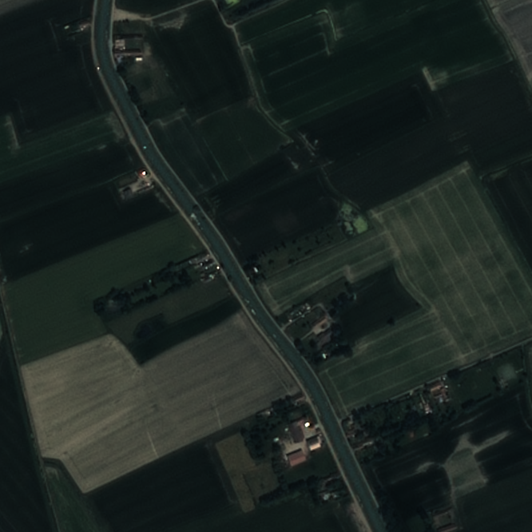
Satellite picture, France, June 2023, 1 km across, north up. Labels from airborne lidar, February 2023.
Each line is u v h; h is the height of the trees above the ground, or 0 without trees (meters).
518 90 0
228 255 0
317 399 0
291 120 0
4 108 0
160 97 0
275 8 0
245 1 0
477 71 0
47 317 0
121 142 0
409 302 0
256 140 0
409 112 0
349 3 0
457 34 0
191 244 0
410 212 0
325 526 0
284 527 0
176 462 0
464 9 0
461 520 0
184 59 0
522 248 0
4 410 0
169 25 0
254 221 0
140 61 0
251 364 0
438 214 0
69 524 0
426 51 0
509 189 0
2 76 0
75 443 0
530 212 0
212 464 0
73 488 0
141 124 0
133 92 17
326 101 0
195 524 0
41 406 0
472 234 0
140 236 0
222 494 0
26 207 0
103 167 0
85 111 0
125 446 0
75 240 0
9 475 0
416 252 0
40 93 0
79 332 0
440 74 0
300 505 0
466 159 0
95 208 0
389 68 0
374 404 0
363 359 0
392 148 0
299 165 0
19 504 0
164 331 0
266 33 0
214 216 0
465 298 0
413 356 0
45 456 0
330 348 7
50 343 0
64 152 0
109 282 0
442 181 0
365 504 0
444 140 0
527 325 0
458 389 0
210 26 0
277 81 0
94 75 0
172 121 0
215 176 0
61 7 0
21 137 0
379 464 0
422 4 0
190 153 0
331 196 0
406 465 0
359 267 0
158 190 0
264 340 0
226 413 0
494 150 0
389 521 27
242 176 0
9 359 0
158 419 0
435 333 0
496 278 0
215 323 0
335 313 17
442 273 0
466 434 0
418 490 0
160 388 0
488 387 0
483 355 0
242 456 0
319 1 0
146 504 0
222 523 0
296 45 0
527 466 0
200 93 0
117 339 0
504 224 0
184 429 0
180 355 0
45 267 0
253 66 0
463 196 0
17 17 0
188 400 0
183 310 0
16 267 0
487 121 0
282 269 0
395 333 0
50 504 0
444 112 0
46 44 0
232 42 0
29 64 0
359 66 0
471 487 0
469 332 0
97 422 0
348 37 0
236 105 0
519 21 0
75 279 0
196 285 0
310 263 0
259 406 0
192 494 0
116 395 0
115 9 0
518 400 0
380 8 0
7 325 0
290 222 0
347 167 0
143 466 0
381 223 0
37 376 0
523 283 0
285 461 0
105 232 0
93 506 0
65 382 0
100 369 0
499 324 0
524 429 0
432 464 0
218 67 0
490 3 0
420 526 0
